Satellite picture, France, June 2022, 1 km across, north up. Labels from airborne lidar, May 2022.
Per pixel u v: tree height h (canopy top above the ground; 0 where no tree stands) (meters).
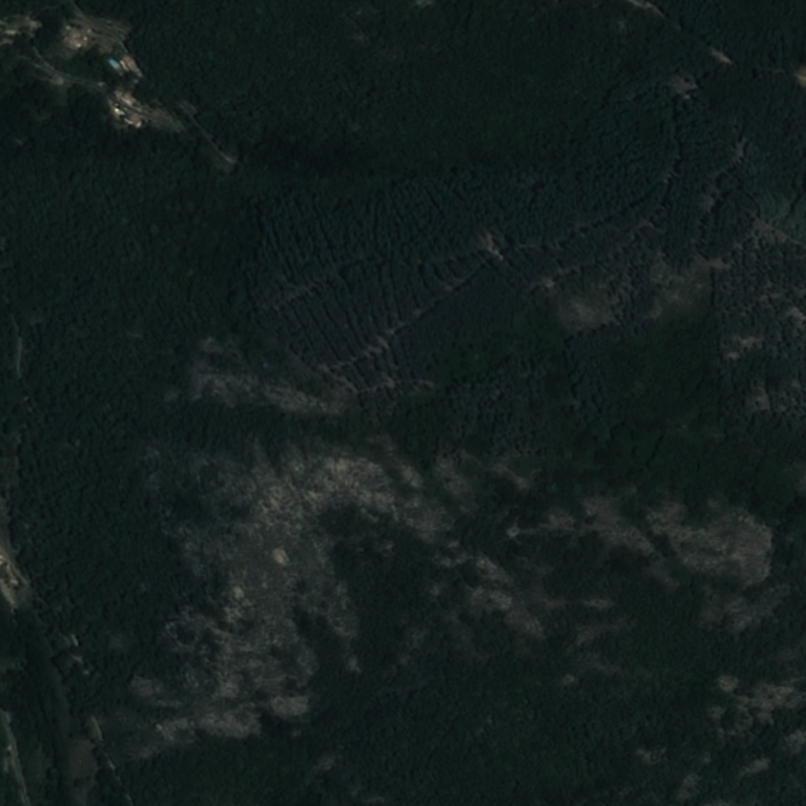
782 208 15
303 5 15
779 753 8
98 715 8
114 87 9
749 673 14
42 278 18
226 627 8
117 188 9
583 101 24
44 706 20
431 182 27
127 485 16
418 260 35
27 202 11
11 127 27
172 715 7
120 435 14
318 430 8
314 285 27
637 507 7
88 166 16
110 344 12
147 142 33
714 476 19
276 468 6
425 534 0
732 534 0
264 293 25
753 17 18
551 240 25
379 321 17
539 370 19
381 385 20
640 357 22
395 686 12
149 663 8
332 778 18
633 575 13
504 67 18
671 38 23
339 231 25
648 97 25
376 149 24
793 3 16
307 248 25
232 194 13
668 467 20
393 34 13
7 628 12
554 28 16
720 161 27
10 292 11
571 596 10
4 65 16
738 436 18
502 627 9
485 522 14
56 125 15
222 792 12
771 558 10
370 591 13
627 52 18
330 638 11
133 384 18
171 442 11
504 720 17
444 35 13
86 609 14
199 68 20
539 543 8
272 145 10
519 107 25
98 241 14
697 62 26
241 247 16
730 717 14
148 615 13
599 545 8
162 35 24
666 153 21
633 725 23
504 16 15
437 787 11
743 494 21
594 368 26
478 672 13
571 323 0
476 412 13
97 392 14
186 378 9
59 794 16
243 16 22
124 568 15
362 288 31
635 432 19
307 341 16
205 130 13
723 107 18
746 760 14
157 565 14
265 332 18
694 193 23
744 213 22
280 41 16
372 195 19
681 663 17
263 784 14
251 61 20
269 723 20
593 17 14
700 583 10
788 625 9
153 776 12
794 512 22
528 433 16
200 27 17
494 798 18
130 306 20
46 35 20
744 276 17
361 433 13
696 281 0
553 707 21
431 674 10
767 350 18
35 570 15
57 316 13
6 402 12
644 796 9
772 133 23
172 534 7
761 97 23
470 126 22
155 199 13
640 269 16
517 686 14
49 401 12
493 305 22
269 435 11
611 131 31
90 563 14
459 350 7
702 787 12
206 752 11
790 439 16
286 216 31
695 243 26
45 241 12
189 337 9
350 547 7
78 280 11
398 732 10
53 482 17
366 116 21
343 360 20
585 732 15
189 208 14
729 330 20
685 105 27
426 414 16
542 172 21
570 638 11
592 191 30
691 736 14
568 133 26
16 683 13
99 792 7
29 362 8
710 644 12
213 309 13
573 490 12
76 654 11
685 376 18
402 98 21
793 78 16
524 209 31
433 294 22
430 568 8
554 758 9
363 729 12
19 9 12
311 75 19
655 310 17
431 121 19
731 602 0
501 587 6
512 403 20
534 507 9
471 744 10
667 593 12
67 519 20
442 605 11
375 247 28
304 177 22
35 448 13
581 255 20
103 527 17
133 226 13
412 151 22
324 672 13
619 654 13
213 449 8
